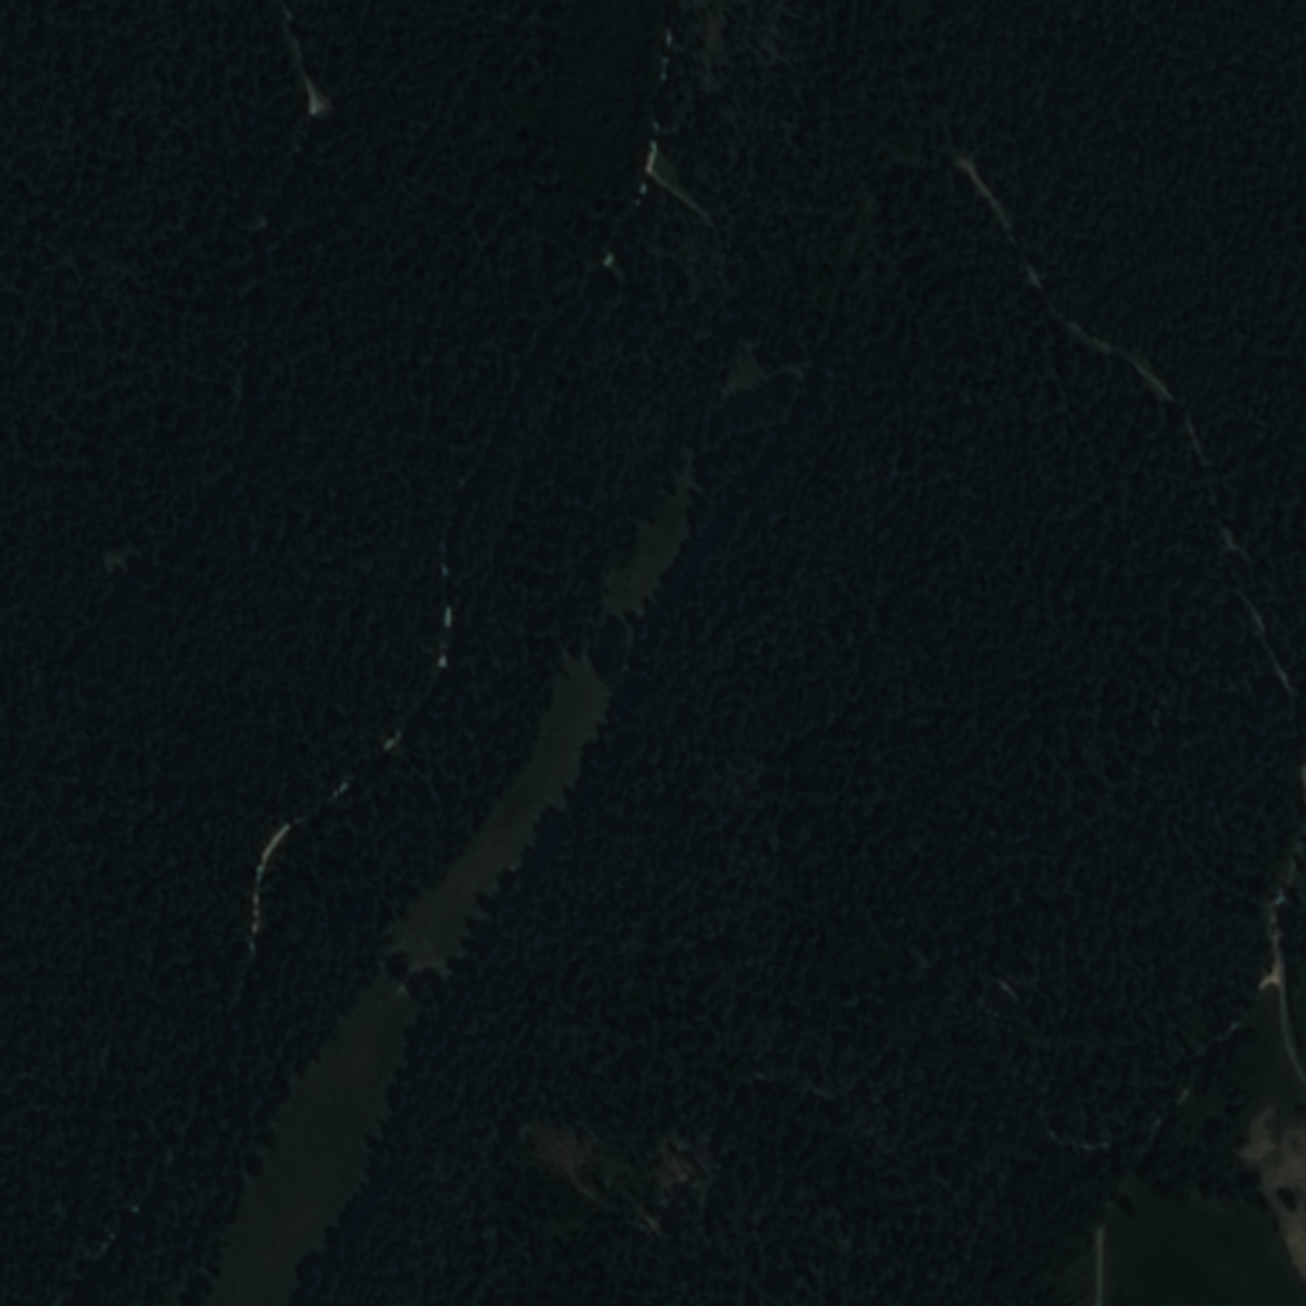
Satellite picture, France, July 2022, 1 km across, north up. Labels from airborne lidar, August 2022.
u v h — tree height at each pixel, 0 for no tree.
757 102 14
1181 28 22
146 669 26
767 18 15
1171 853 9
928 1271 24
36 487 25
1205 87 22
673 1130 15
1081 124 24
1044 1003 31
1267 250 20
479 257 29
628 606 0
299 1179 0
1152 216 18
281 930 20
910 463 22
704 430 22
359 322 22
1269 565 28
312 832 15
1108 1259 0
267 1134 33
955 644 20
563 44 11
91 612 29
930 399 22
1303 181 20
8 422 17
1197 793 31
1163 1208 0
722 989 30
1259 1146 0
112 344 15
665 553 0
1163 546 15
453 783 19
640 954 8
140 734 25
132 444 21
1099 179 23
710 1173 29
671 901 34
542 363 28
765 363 18
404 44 19
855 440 25
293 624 31
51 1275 18
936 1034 29
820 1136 10
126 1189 17
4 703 6
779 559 21
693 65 16
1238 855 16
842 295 5
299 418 27
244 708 31
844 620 21
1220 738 34
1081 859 32
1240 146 20
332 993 29
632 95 11
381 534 29
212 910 26
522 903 27
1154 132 22
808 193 8
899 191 18
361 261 29
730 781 24
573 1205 7
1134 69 27
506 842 0
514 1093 16
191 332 18
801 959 20
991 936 9
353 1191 0
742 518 26
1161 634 33
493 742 23
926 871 20
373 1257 21
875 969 8
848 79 11
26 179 6
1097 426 16
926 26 9
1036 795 16
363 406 23
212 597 28
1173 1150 16
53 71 22
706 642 28
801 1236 28
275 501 28
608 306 9
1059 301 17
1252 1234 0
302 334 30
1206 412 19
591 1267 5
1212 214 17
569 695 0
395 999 0
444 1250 20
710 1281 24
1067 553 13
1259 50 25
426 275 28
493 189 27
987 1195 31
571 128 11
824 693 24
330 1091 0
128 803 30
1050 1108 16
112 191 30
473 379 32
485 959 7
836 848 17
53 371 22
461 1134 16
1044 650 17
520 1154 14
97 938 31
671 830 17
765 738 16
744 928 29
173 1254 30
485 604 26
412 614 32
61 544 26
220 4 9
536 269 26
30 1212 25
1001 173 19
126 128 23
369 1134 0
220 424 31
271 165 26
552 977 24
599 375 26
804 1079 27
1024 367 26
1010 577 24
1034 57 27
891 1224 8
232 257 20
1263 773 34
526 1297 8
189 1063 30
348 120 18
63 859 29
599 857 18
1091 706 21
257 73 9
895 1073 26
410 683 30
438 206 21
